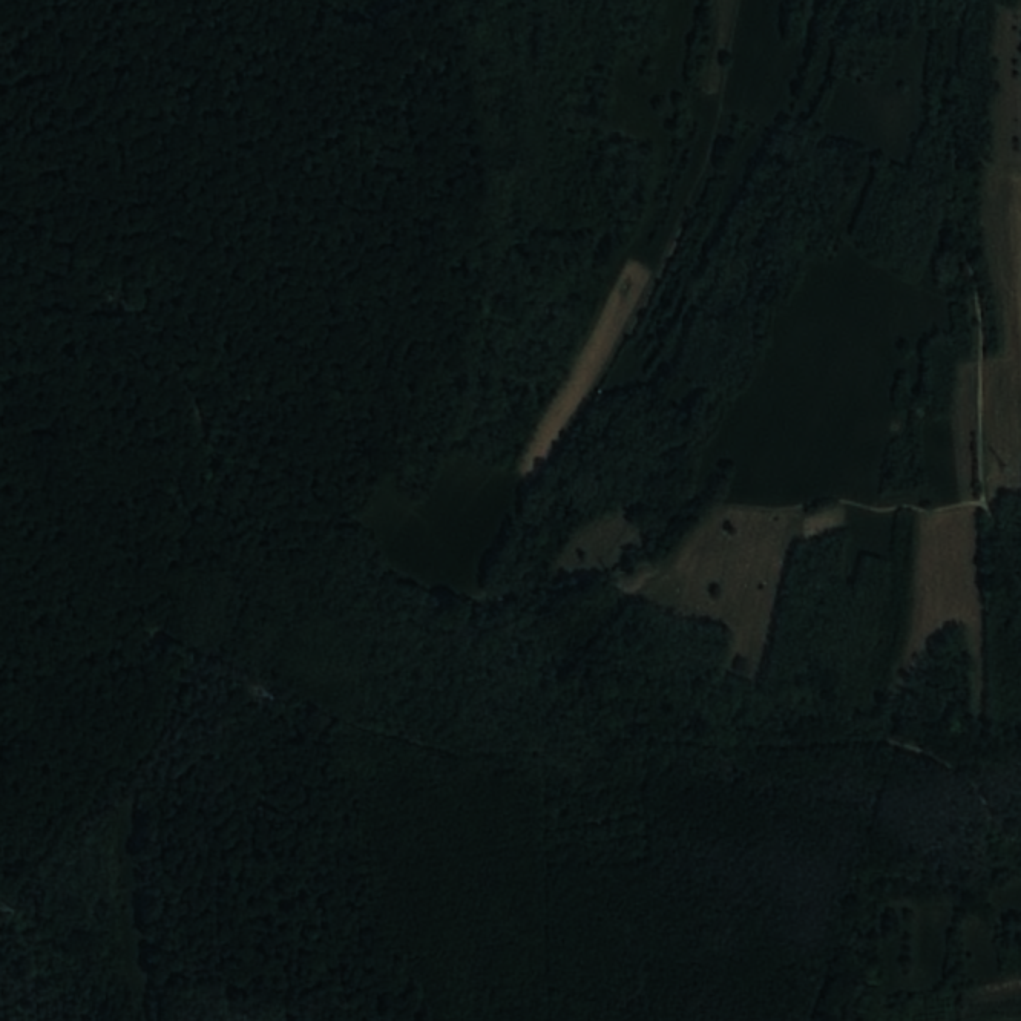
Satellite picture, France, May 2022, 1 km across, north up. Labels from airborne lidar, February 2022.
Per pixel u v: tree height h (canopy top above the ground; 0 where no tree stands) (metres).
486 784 12
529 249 27
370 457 31
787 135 21
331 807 25
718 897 18
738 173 0
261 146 27
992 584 18
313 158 26
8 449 28
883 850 18
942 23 8
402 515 0
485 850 10
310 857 24
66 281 31
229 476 22
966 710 13
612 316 0
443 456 18
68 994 14
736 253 7
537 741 15
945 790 17
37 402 27
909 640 0
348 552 21
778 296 19
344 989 26
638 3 24
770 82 0
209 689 26
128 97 31
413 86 27
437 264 27
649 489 18
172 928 24
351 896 23
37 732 29
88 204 31
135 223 29
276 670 8
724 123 0
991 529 6
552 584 12
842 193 19
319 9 26
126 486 27
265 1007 22
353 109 28
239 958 29
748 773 17
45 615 22
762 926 16
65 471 25
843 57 12
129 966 0
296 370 25
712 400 16
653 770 19
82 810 20
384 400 29
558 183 11
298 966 27
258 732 26
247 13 26
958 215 8
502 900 10
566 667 22
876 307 0
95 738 29
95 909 21
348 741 11
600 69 22
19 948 23
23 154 29
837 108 0
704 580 0
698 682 25
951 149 10
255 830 27
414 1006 23
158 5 32
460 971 7
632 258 0
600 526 0
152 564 27
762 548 0
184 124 32
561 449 17
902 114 0
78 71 28
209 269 29
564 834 10
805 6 15
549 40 20
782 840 15
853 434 0
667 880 16
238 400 22
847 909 24
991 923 5
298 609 12
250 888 27
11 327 29
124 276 31
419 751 9
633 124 0
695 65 11
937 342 13
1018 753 17
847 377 0
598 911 16
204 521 27
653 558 17
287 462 24
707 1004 17
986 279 6
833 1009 17
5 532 25
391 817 9
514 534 19
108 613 22
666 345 11
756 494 0
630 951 15
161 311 30
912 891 22
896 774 20
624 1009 17
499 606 23
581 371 0
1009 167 0
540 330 21
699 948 17
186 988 24
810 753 16
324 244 27
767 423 0
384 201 28
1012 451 0
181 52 28
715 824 19
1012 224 0
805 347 0
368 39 28
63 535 24
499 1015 10
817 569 15
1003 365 0
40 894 20
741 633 0
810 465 0
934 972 0
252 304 26
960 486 0
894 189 14
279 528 26
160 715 26
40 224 25
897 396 9
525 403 22
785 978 15
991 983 0
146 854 21
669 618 22
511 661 24
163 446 30
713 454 0
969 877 17
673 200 6
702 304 12
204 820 29
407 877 11
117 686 27
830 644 19
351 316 28
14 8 29
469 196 28
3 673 23
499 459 21
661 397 17
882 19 14
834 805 17
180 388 24
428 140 31
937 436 0
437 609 25
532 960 9
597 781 12
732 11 0
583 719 8
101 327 31
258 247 27
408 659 20
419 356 29
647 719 7
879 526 0
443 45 24
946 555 0
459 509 0
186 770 25
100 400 29
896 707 15
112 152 31
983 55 14
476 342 22
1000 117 0
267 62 29
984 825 11
